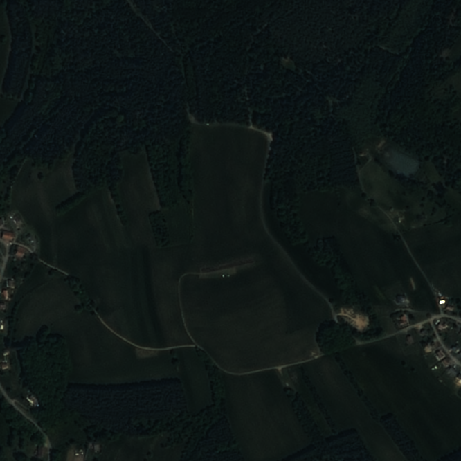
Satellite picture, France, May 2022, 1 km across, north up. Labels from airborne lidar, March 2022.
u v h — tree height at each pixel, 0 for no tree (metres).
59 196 0
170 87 22
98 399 25
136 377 0
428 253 0
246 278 0
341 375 0
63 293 0
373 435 0
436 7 15
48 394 26
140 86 27
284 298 0
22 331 0
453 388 0
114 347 0
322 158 16
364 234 0
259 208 0
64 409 24
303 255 0
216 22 15
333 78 26
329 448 15
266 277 0
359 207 0
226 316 0
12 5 28
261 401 0
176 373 0
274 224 0
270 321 0
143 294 0
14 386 0
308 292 0
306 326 0
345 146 16
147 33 22
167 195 18
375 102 23
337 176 17
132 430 26
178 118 28
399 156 0
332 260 13
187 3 9
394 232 0
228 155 0
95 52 21
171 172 21
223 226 0
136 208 0
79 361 0
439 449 0
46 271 0
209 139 0
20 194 0
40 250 0
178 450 0
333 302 11
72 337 0
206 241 0
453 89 7
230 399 0
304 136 17
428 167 0
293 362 0
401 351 0
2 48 0
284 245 0
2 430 0
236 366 0
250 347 0
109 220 0
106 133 21
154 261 0
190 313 0
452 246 0
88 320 0
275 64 17
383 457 0
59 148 25
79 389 24
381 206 0
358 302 15
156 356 0
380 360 0
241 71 19
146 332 0
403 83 18
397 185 0
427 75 12
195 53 19
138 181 0
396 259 0
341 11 13
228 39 13
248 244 0
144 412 28
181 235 0
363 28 12
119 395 27
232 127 0
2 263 0
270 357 0
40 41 15
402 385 0
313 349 0
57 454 13
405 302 0
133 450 0
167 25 21
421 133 10
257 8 15
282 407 0
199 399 0
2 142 27
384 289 0
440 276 0
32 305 0
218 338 0
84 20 29
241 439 0
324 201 0
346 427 0
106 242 0
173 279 0
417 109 12
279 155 20
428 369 0
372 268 0
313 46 9
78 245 0
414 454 17
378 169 0
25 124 26
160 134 21
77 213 0
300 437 0
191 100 15
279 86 22
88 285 0
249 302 0
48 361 26
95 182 26
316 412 0
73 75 12
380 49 17
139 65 28
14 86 27
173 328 0
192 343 0
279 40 14
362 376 0
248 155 0
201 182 0
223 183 0
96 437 22
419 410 0
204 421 9
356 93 23
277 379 0
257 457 0
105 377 0
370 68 17
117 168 12
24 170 0
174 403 22
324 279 0
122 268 0
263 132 0
